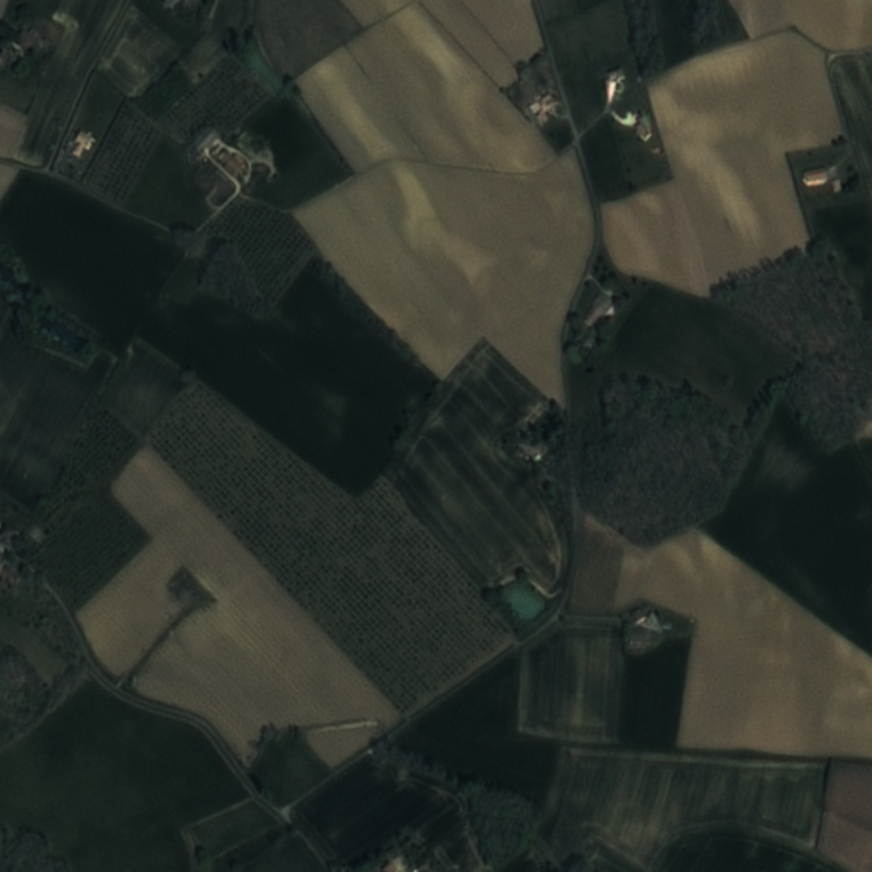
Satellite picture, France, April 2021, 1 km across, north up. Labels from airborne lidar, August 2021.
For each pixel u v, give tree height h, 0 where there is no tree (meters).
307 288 0
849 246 0
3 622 0
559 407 13
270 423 0
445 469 0
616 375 0
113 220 0
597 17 0
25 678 8
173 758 0
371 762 0
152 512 0
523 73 11
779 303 21
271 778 0
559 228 0
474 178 0
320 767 0
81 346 7
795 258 17
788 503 0
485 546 0
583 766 0
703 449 22
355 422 0
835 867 0
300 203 0
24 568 11
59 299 0
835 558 0
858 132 0
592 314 0
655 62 17
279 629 0
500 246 0
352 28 0
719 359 0
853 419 12
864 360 15
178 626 0
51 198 0
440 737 0
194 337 0
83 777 0
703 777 0
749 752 0
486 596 12
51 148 0
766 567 0
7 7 0
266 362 0
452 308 0
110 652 0
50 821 0
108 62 0
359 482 0
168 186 0
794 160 0
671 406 24
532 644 0
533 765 0
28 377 0
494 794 24
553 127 0
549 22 0
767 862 0
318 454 0
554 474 15
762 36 0
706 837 0
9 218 0
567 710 0
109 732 0
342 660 0
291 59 0
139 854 0
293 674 0
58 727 0
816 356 15
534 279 0
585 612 0
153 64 0
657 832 0
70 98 0
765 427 16
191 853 0
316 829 0
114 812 0
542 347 0
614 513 18
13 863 9
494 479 0
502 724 0
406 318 0
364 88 0
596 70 0
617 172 0
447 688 0
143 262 0
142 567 0
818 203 0
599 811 0
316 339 0
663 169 0
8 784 0
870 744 0
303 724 0
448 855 0
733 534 0
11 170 0
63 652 8
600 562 0
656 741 0
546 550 0
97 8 0
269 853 0
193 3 0
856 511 0
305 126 0
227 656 0
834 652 0
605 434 15
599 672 0
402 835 8
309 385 0
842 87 0
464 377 0
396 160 0
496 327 0
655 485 18
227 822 0
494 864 21
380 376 0
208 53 0
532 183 0
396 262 0
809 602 0
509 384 0
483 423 0
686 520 16
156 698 0
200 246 18
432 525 0
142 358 0
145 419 0
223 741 0
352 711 0
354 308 10
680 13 0
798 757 0
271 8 0
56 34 0
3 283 10
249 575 0
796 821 0
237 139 10
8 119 0
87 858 0
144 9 0
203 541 0
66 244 0
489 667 0
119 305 0
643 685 0
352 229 0
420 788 0
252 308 11
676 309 0
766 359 0
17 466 0
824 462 0
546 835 0
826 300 19
